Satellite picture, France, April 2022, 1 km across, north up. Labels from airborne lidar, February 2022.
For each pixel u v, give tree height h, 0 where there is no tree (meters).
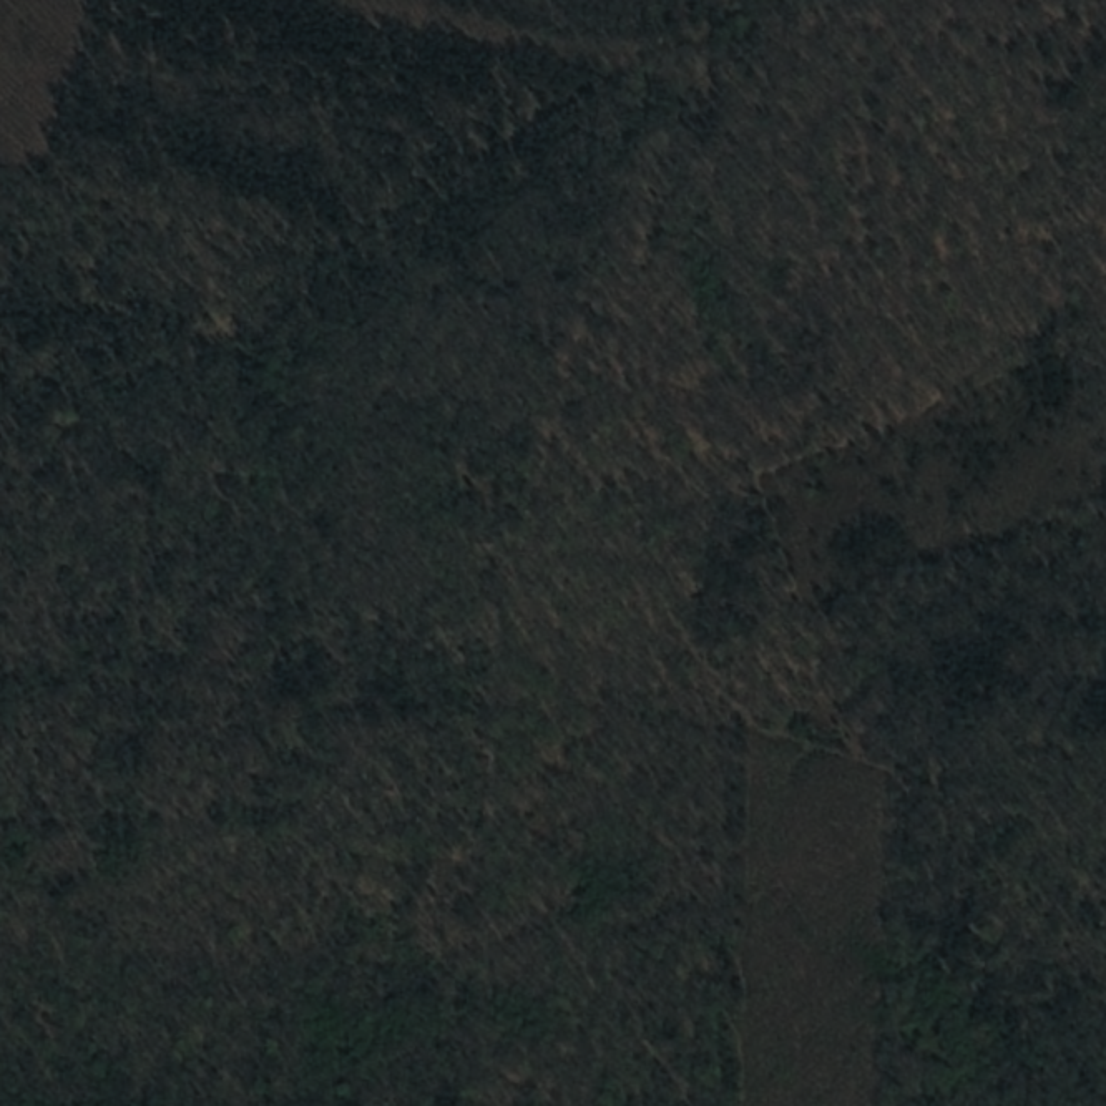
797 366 12
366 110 28
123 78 25
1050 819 13
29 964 26
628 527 29
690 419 31
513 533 29
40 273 24
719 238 27
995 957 24
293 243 26
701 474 27
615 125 27
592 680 30
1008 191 29
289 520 26
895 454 18
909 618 27
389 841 27
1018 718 33
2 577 26
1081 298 30
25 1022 26
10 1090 26
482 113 25
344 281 32
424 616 25
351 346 26
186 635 22
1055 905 25
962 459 13
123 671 26
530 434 25
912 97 32
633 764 29
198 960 24
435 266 28
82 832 23
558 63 30
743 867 25
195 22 29
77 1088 23
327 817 28
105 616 25
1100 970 25
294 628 26
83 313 24
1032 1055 28
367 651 26
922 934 29
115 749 29
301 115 22
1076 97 28
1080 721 22
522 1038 20
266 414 30
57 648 28
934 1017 30
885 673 21
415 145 25
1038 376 12
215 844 23
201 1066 27
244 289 25
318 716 26
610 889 23
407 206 23
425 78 32
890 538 22
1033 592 24
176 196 26
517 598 27
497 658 28
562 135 32
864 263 30
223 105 26
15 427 24
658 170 27
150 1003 29
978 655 32
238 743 27
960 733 29
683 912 24
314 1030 27
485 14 26
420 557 28
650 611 28
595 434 29
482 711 28
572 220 30
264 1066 30
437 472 29
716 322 26
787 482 19
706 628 26
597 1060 29
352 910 20
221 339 0
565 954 29
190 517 25
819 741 22
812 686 26
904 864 20
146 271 23
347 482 24
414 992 27
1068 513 19
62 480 26
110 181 28
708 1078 27
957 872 28
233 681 26
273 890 21
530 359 27
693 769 30
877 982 12
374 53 30
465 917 22
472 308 25
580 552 26
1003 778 30
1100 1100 27
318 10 30
